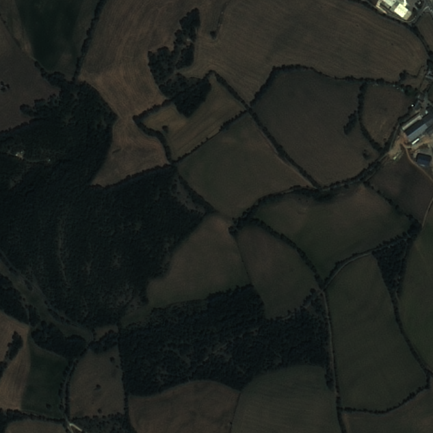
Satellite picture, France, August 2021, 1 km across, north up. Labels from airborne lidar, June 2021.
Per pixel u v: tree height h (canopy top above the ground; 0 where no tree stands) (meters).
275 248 0
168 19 0
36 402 0
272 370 7
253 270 0
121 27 0
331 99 0
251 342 7
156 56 7
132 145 0
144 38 0
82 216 7
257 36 0
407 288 0
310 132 0
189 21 11
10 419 12
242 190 0
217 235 0
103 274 7
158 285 0
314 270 13
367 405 0
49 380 0
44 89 0
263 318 13
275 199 11
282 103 0
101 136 12
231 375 7
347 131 9
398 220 0
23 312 7
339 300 0
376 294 0
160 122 0
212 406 0
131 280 7
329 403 0
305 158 0
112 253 9
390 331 0
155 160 0
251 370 9
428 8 0
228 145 0
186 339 8
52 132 11
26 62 0
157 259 8
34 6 0
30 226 9
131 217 11
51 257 8
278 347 10
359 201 0
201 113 0
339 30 0
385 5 0
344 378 0
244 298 12
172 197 6
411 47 0
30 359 0
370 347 0
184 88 7
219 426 0
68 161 11
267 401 0
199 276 0
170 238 8
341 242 0
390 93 0
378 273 0
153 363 6
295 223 0
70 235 6
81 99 11
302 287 0
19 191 7
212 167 0
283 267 0
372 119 0
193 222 13
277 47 0
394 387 0
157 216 12
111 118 11
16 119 0
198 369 7
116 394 0
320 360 11
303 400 0
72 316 12
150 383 9
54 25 0
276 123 0
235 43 0
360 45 0
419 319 0
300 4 0
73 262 7
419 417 0
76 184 7
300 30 0
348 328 0
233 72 0
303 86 0
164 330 10
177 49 9
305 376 0
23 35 0
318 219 0
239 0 0
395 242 11
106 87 0
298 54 0
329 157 0
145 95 0
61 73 9
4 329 0
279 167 0
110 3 0
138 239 8
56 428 0
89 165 8
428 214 0
